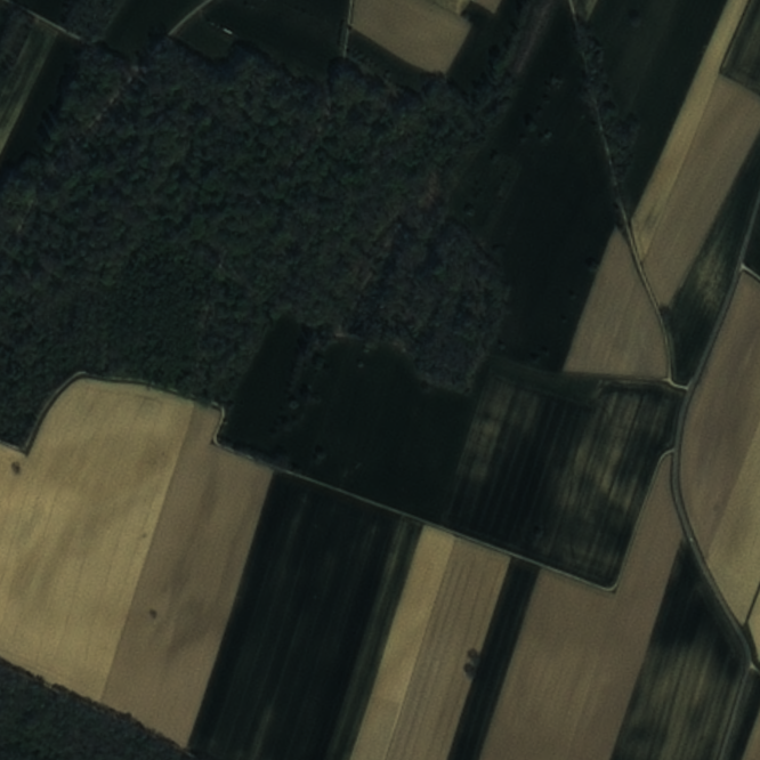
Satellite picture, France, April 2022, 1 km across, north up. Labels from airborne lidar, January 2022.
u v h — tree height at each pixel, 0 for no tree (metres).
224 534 0
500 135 0
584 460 0
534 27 0
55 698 19
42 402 21
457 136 20
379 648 0
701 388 0
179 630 0
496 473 0
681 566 0
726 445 0
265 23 0
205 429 0
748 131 0
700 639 0
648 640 0
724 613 0
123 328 21
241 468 0
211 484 0
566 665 0
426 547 0
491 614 0
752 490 0
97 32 20
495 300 28
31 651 0
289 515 0
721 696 0
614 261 0
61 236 33
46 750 18
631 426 0
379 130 21
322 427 0
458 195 0
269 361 0
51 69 0
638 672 0
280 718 0
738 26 0
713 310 0
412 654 0
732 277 0
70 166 29
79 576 0
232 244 29
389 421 0
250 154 16
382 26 0
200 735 0
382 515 0
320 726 0
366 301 18
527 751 0
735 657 0
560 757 0
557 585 0
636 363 0
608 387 0
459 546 0
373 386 0
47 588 0
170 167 28
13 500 0
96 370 20
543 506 0
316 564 0
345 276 36
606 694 0
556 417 0
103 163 29
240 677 0
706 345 0
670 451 0
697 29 0
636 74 0
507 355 0
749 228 0
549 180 0
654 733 0
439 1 0
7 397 25
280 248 29
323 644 0
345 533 0
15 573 0
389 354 0
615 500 0
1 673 28
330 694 0
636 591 0
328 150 29
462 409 0
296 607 0
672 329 0
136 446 0
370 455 0
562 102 0
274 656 0
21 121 0
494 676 0
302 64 0
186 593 0
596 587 0
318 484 0
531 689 0
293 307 22
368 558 0
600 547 0
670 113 0
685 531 0
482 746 0
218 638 0
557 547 0
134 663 0
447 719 0
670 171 0
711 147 0
